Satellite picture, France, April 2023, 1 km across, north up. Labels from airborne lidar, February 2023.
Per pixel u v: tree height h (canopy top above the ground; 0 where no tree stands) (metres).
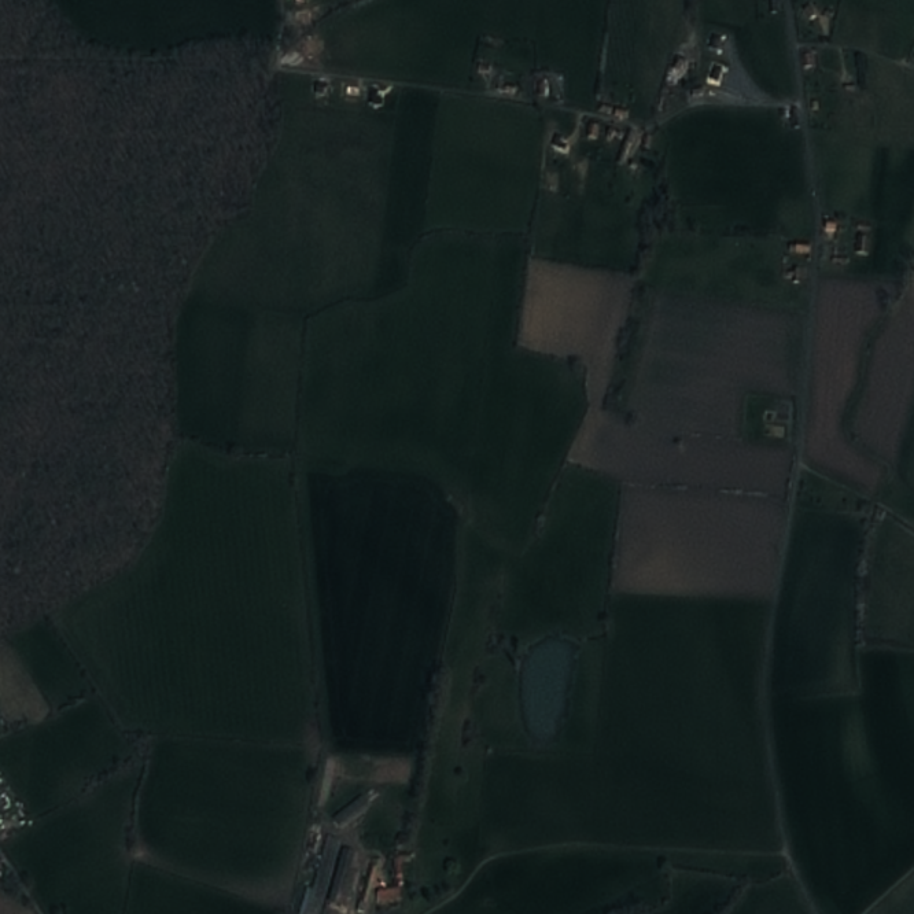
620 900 0
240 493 0
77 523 17
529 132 0
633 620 0
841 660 0
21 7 17
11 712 0
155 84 17
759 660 0
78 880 0
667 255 0
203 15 0
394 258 0
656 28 0
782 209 0
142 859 0
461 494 0
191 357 0
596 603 0
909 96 0
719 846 0
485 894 0
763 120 0
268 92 20
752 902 0
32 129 18
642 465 0
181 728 0
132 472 17
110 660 0
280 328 0
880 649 0
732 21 0
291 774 0
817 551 0
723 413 0
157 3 0
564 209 0
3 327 17
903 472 0
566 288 0
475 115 0
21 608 15
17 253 18
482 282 0
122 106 17
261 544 0
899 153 0
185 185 19
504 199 0
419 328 0
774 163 0
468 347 0
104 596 0
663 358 0
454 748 0
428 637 0
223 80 17
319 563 0
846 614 0
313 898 0
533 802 0
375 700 0
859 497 0
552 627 0
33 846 0
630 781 0
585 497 0
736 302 0
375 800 0
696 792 0
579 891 0
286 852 0
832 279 0
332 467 0
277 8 0
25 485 16
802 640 0
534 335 0
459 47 0
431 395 0
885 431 0
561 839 0
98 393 22
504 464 0
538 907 0
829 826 0
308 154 0
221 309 0
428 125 0
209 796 0
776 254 0
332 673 0
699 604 0
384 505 0
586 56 0
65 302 13
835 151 0
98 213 14
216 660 0
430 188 0
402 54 0
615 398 7
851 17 0
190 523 0
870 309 0
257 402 0
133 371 18
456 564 0
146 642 0
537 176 0
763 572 0
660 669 0
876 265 0
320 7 0
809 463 0
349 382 0
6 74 18
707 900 0
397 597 0
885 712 0
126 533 14
